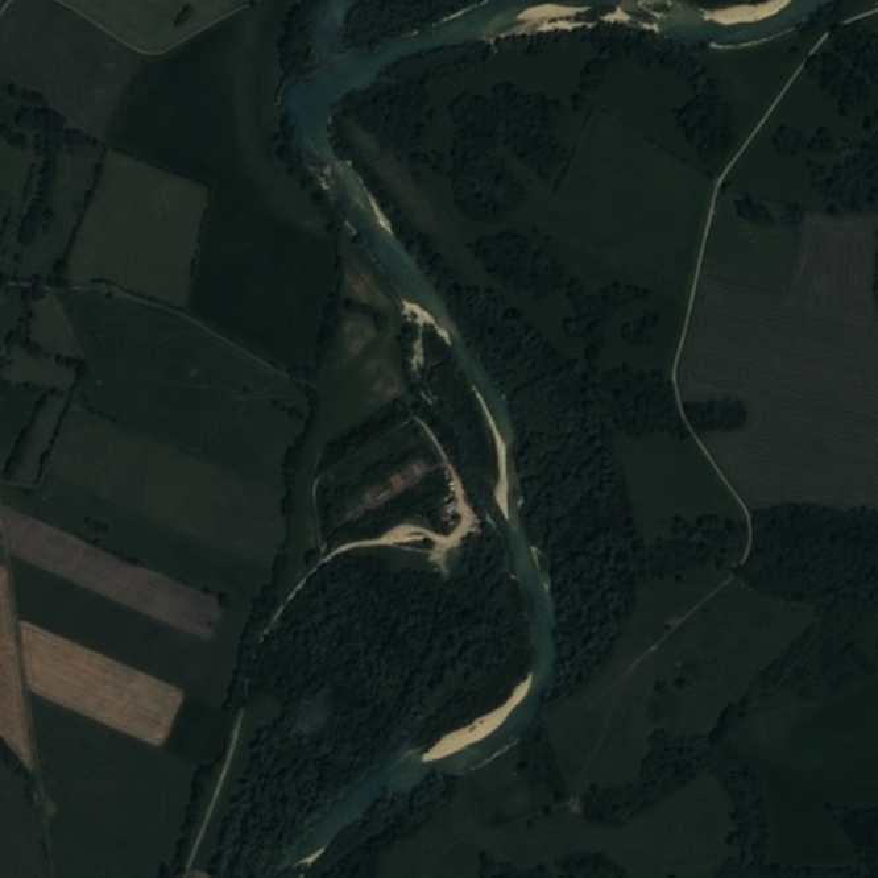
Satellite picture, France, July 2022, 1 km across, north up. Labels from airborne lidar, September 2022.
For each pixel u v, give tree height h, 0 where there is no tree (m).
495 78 0
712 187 0
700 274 0
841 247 0
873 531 7
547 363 5
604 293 11
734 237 0
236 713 18
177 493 0
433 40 0
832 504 0
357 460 0
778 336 0
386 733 11
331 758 7
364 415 0
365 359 0
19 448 12
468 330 9
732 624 0
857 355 0
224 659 0
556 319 0
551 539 12
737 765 9
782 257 0
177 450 0
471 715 9
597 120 0
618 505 9
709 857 0
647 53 7
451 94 0
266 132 0
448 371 11
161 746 0
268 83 0
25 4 0
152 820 0
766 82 0
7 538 0
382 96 7
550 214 0
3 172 0
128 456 0
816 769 0
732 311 0
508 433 0
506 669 10
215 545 0
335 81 0
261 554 0
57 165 20
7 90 6
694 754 14
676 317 0
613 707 0
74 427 0
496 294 19
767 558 8
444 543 0
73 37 0
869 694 0
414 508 12
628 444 0
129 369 0
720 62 0
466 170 9
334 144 7
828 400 0
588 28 7
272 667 6
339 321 19
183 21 8
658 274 0
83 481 0
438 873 0
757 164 0
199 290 0
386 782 0
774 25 0
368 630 20
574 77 0
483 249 9
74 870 0
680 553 12
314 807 9
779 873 16
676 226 0
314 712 0
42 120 19
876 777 0
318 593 8
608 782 0
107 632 0
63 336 0
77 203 0
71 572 0
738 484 0
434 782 16
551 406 9
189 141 0
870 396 0
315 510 0
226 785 0
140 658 0
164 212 0
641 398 13
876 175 22
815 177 10
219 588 0
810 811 0
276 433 0
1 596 0
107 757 0
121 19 0
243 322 0
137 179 0
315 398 15
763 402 0
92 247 0
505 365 8
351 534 5
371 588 16
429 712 14
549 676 0
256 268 0
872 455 0
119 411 0
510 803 0
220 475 0
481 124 7
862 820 11
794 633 0
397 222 6
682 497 0
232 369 0
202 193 0
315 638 18
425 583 11
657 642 0
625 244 0
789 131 17
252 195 0
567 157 10
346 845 8
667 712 0
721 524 18
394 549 0
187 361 0
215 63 0
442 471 7
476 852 0
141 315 0
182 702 0
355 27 10
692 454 0
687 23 0
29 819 0
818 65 16
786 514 18
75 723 0
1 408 0
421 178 6
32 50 0
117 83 0
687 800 0
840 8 13
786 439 0
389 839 13
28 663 0
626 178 0
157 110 0
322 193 12
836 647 6
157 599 0
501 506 0
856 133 0
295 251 0
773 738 0
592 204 0
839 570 17
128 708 0
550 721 0
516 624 8
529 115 7
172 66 0
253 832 25
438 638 17
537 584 0
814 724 0
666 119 0
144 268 0
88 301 0
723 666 0
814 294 0
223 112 0
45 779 0
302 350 0
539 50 17
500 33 0
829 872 6
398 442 0
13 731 0
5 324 0
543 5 0
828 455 0
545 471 9
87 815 0
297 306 0
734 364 0
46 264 0
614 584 6
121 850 0
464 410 9
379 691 9
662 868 0
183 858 14
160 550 0
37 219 22
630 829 0
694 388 0
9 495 0
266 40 0
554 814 17
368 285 0
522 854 0
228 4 0
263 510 0
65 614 0
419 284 0
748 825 21
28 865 0
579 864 6
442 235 0
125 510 0
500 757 0
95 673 0
